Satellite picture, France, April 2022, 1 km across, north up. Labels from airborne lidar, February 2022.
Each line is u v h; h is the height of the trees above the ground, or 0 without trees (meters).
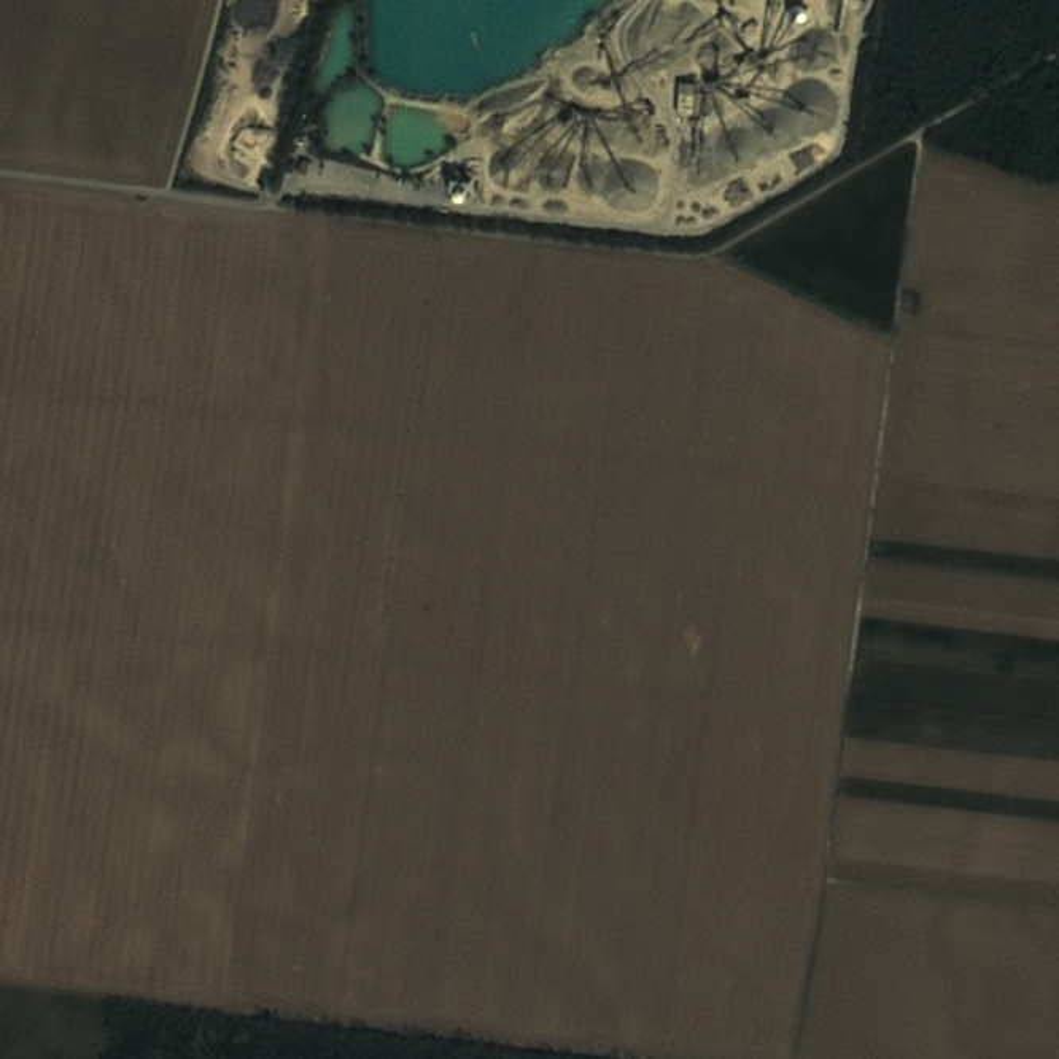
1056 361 0
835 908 0
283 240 0
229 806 0
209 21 0
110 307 0
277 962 0
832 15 0
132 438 0
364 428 0
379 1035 7
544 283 0
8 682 0
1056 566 0
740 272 0
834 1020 0
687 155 0
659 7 0
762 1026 0
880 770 0
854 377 0
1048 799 0
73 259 0
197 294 0
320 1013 0
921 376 0
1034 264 0
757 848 0
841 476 0
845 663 0
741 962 0
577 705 0
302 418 0
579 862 0
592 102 0
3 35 0
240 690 0
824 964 0
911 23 9
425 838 0
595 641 0
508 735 0
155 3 0
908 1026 0
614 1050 0
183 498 0
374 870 0
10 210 0
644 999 0
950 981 0
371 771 0
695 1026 0
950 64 8
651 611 0
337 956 0
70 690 0
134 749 0
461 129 0
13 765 0
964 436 0
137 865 0
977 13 9
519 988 0
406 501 0
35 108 0
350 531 0
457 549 0
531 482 0
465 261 0
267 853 0
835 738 0
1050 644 0
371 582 0
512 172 0
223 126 0
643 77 0
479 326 0
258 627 0
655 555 0
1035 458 0
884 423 0
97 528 0
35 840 0
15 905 0
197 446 0
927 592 0
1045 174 7
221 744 0
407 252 0
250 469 0
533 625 0
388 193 0
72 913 0
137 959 0
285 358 0
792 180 0
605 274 0
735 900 0
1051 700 0
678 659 0
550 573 0
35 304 0
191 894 0
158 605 0
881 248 0
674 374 0
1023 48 12
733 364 0
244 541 0
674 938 0
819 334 0
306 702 0
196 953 0
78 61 0
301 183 0
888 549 0
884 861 0
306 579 0
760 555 0
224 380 0
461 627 0
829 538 0
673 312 0
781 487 0
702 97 0
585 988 0
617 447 0
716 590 0
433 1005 0
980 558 0
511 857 0
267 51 0
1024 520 0
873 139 7
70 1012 0
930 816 0
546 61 0
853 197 0
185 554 0
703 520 0
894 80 11
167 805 0
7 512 0
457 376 0
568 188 0
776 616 0
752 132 0
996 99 12
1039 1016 0
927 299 0
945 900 0
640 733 0
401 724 0
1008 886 0
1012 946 0
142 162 0
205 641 0
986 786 0
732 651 0
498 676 0
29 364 0
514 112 0
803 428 0
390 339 0
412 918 0
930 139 11
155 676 0
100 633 0
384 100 0
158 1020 11
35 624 0
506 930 0
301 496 0
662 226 0
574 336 0
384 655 0
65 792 0
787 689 0
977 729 0
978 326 0
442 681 0
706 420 0
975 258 0
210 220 0
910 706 0
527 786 0
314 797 0
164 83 0
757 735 0
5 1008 0
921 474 0
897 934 0
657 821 0
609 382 0
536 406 0
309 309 0
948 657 0
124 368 0
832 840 0
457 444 0
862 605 0
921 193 0
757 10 0
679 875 0
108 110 0
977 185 0
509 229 13
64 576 0
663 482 0
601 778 0
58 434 0
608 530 0
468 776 0
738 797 0
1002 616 0
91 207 0
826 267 0
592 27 0
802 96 0
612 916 0
